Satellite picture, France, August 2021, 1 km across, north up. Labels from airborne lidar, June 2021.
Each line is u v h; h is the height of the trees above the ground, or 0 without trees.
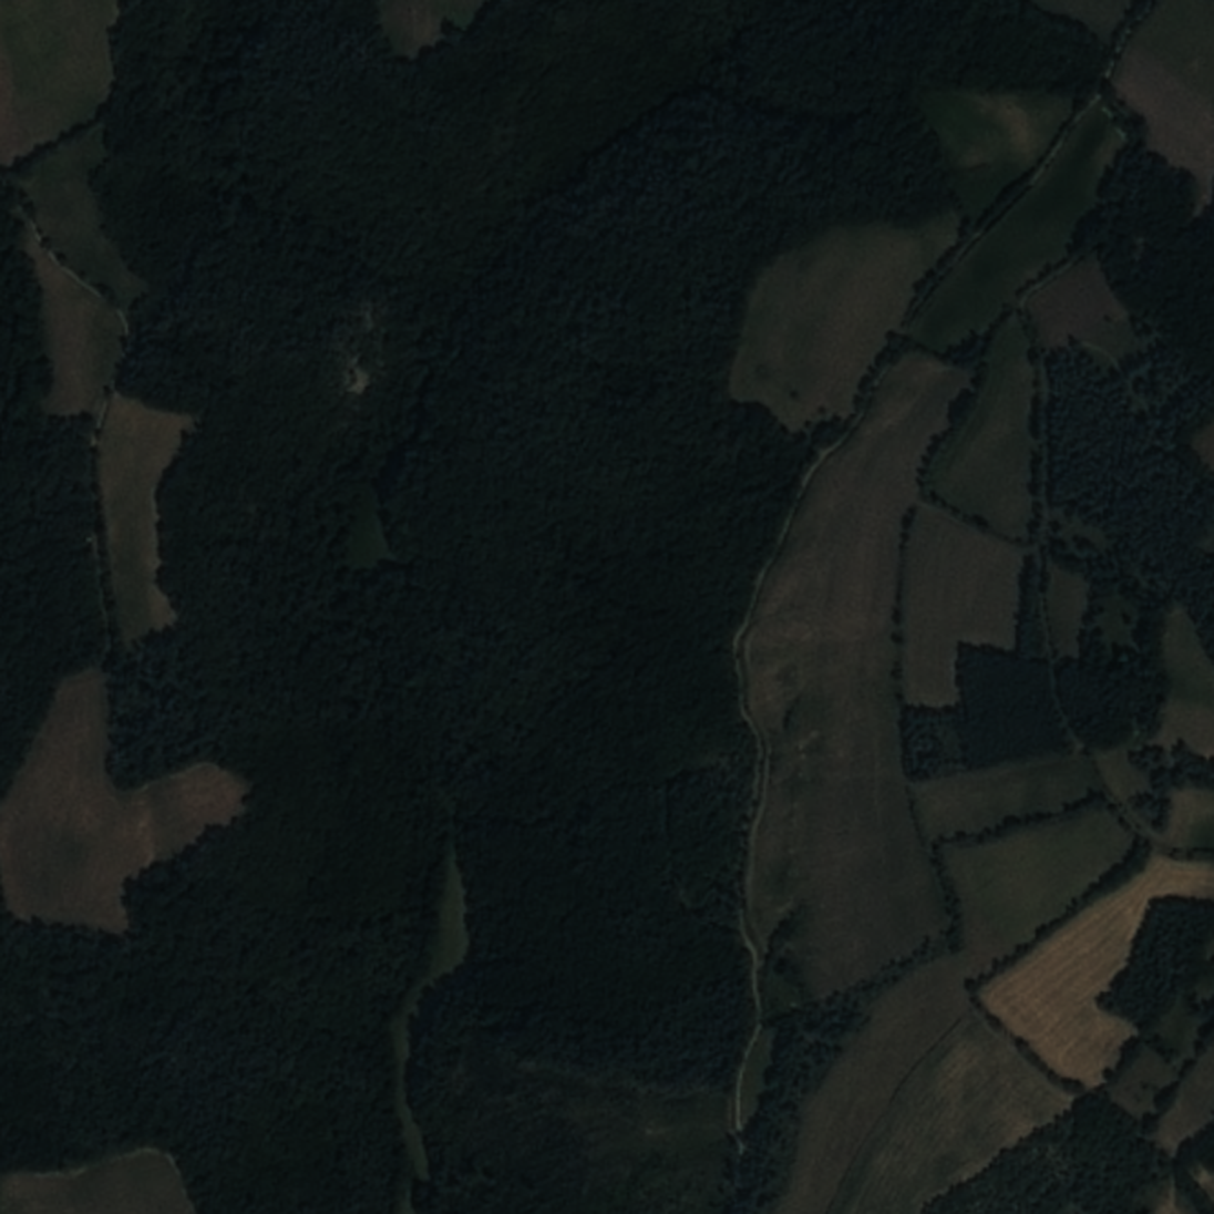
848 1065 0
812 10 24
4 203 16
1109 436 12
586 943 13
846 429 7
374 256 26
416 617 15
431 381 27
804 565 0
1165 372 15
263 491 21
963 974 0
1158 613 15
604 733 17
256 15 29
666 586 15
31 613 15
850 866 0
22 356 23
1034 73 12
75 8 0
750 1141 13
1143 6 11
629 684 13
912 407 0
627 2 18
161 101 16
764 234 21
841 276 0
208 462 17
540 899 16
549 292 19
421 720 17
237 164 31
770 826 0
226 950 21
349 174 20
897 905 0
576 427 17
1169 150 0
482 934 16
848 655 0
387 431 22
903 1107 0
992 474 0
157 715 19
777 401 0
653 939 23
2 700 14
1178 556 18
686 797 15
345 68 17
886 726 0
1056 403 12
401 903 11
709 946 15
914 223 18
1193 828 0
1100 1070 0
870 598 0
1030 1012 0
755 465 14
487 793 20
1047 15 9
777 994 0
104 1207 0
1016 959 6
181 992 17
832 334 0
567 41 7
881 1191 0
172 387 16
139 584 0
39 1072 10
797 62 21
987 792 0
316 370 17
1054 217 0
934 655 0
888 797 0
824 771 0
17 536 14
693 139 28
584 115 12
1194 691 0
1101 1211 10
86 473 9
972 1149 0
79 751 0
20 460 14
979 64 16
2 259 18
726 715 12
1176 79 0
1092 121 0
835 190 23
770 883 0
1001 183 0
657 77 14
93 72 0
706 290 15
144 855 0
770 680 0
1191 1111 0
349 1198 20
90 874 0
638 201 24
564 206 21
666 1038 17
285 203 20
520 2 11
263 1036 16
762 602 0
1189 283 21
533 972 14
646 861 17
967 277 0
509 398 14
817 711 0
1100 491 14
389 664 17
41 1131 10
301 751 14
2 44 0
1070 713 15
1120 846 0
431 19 0
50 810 0
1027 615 13
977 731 14
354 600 22
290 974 21
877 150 26
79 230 0
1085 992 0
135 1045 21
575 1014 23
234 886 12
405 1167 16
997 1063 0
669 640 11
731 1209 9
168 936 18
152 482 0
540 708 19
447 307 23
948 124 0
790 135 22
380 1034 21
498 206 13
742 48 24
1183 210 18
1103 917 0
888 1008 0
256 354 13
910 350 12
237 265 13
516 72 11
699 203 24
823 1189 0
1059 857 0
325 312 14
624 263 20
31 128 0
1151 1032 15
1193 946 20
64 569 7
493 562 17
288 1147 20
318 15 14
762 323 0
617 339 16
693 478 17
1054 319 0
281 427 20
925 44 28
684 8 21
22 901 0
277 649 22
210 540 17
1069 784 0
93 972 19
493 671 21
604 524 14
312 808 11
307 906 16
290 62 19
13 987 19
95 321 0
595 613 14
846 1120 0
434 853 16
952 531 0
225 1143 17
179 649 11
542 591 13
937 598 0
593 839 21
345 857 13
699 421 19
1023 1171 7
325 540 33
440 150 16
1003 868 0
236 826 9
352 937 21
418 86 15
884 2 23
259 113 12
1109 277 14
